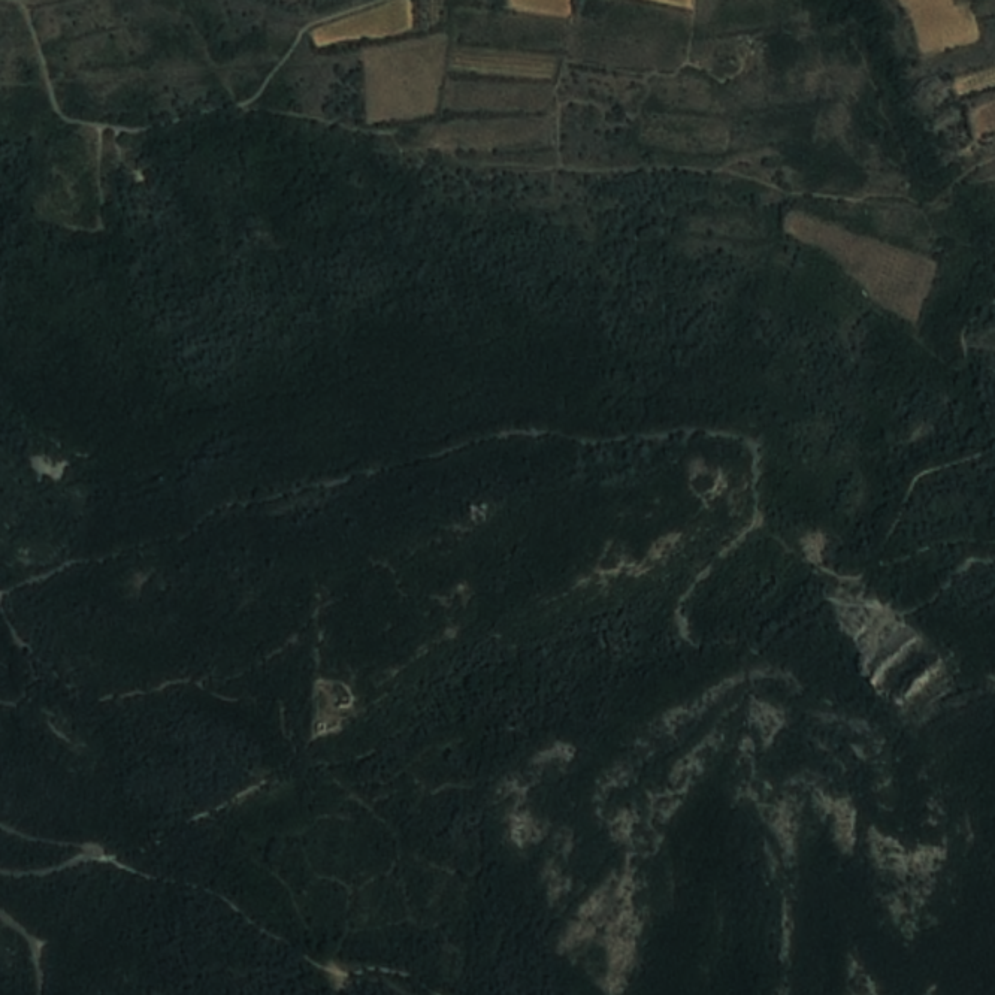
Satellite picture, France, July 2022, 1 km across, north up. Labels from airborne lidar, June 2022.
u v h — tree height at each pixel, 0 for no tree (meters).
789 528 12
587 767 6
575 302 7
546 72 0
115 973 7
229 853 7
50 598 7
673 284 8
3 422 7
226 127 8
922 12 0
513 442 8
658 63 0
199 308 12
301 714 10
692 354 10
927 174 13
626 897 0
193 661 7
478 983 7
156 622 7
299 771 15
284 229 7
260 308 11
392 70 0
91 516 8
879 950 6
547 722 7
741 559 6
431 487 7
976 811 6
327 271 15
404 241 10
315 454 6
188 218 6
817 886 7
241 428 7
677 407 8
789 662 6
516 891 10
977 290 6
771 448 7
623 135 13
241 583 7
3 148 18
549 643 16
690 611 11
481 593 9
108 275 7
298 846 13
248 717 10
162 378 13
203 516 8
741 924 6
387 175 6
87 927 8
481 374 8
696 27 0
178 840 7
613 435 9
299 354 7
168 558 7
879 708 6
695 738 6
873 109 7
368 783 8
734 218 0
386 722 17
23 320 6
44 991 8
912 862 0
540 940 8
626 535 6
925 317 8
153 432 10
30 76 10
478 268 12
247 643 9
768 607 13
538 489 9
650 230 13
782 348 11
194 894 18
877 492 8
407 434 7
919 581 8
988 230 9
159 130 9
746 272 8
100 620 8
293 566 6
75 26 7
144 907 7
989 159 0
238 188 9
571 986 11
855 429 14
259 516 8
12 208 6
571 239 11
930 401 11
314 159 11
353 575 9
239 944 11
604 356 8
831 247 0
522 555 9
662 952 12
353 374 6
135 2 0
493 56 0
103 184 6
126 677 6
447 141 0
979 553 8
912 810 5
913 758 6
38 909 5
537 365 8
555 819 6
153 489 7
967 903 9
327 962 0
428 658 7
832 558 6
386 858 7
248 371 6
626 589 8
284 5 7
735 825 7
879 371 7
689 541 6
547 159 0
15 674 10
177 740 12
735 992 12
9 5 0
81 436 8
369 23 0
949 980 6
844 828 0
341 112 10
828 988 6
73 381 7
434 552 6
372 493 7
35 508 6
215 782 13
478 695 15
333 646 5
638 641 17
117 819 6
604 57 0
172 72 0
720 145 0
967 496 12
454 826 12
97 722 7
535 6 0
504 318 5
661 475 8
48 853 6
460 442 8
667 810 0
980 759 9
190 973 13
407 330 7
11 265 8
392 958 7
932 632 11
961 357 11
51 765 6
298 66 0
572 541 9
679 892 13
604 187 10
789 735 7
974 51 0
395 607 8
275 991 20
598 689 10
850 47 7
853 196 0
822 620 8
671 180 14
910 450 9
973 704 6
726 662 8
